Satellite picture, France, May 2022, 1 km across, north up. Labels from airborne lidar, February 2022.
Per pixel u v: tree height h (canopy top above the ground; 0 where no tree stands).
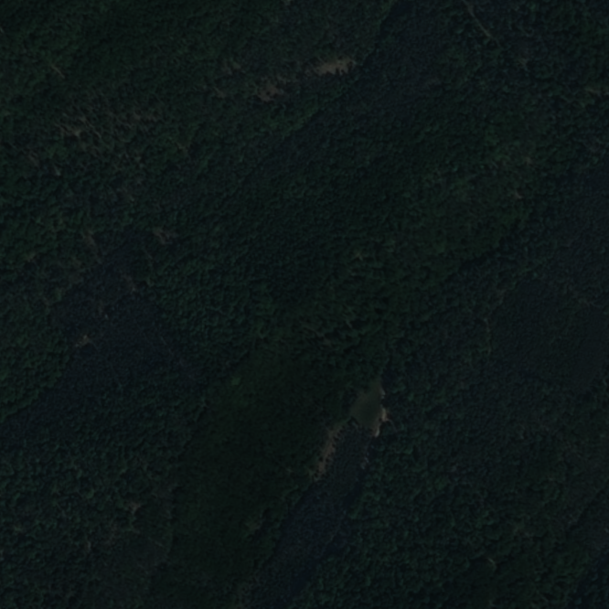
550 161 20
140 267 23
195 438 18
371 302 35
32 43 29
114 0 19
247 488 22
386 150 29
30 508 26
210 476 20
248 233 26
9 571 24
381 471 27
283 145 26
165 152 27
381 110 24
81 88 25
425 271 34
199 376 20
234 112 26
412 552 28
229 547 24
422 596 32
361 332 25
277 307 23
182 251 24
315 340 21
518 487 26
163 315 25
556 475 26
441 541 30
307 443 20
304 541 33
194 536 23
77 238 24
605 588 31
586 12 28
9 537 27
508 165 25
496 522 28
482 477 28
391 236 23
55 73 27
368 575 30
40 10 27
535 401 24
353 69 33
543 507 25
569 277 27
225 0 25
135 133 6
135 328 26
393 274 34
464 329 26
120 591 15
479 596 31
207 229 26
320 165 22
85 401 19
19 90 27
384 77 29
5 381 27
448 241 27
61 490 28
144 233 22
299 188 24
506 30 25
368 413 0
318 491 31
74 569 25
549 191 32
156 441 25
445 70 27
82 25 20
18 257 28
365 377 25
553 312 10
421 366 27
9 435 20
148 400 25
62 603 24
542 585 33
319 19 25
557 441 27
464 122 28
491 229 36
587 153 35
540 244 31
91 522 23
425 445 30
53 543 23
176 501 17
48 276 23
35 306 30
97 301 26
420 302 31
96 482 27
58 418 23
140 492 23
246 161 26
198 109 27
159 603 21
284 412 21
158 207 26
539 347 9
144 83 26
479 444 29
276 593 9
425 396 22
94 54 23
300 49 29
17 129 30
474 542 28
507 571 32
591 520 24
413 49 26
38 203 33
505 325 10
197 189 24
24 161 26
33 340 26
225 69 24
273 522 21
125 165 23
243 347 19
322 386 20
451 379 31
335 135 24
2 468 32
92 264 24
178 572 20
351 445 8
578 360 13
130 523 12
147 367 22
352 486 7
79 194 33
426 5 17
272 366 21
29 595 24
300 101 33
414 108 19
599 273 26
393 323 30
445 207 25
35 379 33
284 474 21
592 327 13
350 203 29
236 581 14
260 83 30
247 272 30
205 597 24
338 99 30
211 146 26
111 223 22
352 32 25
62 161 11
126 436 27
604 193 9
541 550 32
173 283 26
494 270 32
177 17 22
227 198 23
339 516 30
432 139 25
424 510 27
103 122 25
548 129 27
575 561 33
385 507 27
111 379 21
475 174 20
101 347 23
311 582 28
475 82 26
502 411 28
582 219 26
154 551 18
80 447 30
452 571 28
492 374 26
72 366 25
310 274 26
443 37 25
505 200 29
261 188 22
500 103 24
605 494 20
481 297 28
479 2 28
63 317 6
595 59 34
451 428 30
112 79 23
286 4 29
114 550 16
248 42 31
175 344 18
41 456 31
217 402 16
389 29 31
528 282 9
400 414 31
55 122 21
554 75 12
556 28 27
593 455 19
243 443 22
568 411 26
